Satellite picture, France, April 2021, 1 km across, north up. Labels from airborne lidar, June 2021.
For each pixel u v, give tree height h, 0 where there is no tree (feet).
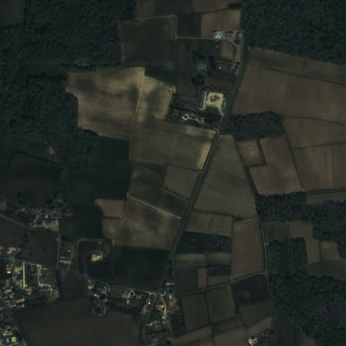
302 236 0
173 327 0
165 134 0
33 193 0
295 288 70
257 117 48
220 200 0
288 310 68
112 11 70
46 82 89
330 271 0
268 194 0
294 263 42
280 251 48
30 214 35
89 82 0
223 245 25
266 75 0
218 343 0
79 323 0
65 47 73
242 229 0
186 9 0
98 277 23
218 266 30
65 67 53
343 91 0
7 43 74
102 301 38
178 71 0
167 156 0
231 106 0
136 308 20
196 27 0
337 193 0
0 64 83
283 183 0
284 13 47
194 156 0
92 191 0
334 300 57
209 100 0
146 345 0
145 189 0
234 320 0
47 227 0
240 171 0
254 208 0
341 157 0
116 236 0
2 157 0
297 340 37
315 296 68
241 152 0
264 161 0
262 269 0
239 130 51
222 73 33
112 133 0
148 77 0
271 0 46
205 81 51
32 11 68
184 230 0
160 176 0
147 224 0
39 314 0
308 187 0
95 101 0
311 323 74
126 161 0
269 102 0
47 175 0
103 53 62
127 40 0
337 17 60
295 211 55
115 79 0
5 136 0
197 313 0
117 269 0
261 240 0
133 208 0
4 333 0
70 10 65
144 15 0
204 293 0
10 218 19
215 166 0
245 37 47
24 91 48
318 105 0
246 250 0
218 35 0
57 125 64
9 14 0
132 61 0
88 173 0
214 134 0
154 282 0
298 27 56
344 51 67
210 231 0
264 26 23
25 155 19
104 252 0
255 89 0
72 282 0
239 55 0
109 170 0
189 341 0
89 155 68
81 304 0
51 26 71
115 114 0
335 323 53
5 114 82
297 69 0
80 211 0
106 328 0
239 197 0
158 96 0
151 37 0
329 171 0
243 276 0
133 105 0
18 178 0
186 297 0
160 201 0
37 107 37
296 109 0
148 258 0
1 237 0
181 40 0
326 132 0
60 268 0
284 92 0
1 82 73
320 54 52
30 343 0
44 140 46
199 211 0
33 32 82
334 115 0
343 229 52
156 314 31
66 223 0
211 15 0
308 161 0
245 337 0
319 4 50
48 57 69
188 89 0
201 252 0
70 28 55
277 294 54
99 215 0
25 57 71
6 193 0
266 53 0
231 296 0
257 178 0
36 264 0
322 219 57
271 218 37
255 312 0
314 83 0
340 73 0
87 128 0
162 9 0
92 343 0
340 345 74
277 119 58
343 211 60
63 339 0
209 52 0
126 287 0
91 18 81
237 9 0
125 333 0
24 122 61
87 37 60
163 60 0
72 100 65
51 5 87
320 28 34
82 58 55
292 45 39
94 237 0
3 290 27
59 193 39
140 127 0
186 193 0
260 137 32
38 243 0
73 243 21
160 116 0
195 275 0
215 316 0
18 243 0
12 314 0
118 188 0
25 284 0
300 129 0
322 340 75
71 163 54
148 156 0
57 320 0
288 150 0
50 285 0
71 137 53
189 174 0
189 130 0
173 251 0
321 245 0
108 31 68
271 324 0
